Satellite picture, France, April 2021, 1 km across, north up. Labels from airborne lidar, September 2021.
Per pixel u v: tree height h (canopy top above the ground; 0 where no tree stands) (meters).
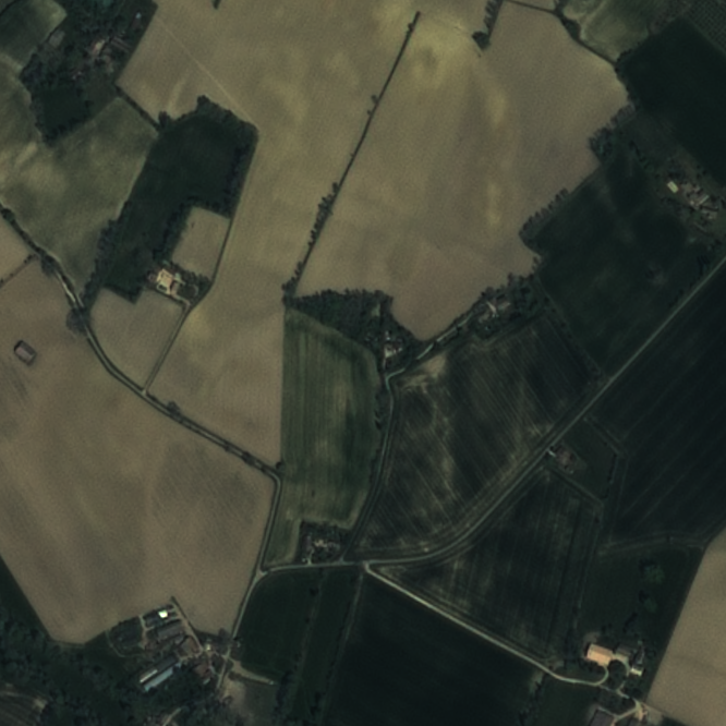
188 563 0
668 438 0
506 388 0
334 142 0
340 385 0
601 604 0
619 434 0
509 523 0
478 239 0
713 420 0
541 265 15
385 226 0
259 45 0
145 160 0
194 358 0
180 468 0
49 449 0
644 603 14
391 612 0
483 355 0
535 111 0
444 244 0
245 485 0
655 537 0
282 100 0
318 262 0
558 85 0
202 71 0
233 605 0
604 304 0
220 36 0
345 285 0
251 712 0
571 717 0
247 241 0
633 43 0
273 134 0
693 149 0
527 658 0
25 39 0
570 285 0
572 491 0
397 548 0
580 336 0
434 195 0
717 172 0
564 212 0
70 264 0
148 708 23
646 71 0
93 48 0
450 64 0
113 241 21
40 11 0
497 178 0
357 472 0
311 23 0
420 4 0
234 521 0
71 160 0
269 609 0
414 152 0
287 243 0
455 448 0
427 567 0
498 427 0
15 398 0
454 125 0
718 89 0
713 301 0
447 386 0
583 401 0
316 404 0
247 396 0
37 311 0
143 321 0
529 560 0
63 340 0
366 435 0
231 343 0
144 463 0
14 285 0
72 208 0
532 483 0
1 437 0
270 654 0
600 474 0
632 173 0
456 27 0
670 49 0
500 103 0
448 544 0
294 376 0
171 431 0
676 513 0
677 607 0
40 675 10
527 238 13
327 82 0
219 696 13
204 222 0
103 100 0
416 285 0
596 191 0
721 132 0
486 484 0
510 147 0
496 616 0
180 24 0
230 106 0
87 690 0
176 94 0
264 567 0
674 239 0
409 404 0
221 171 0
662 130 0
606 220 0
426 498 0
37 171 0
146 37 0
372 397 0
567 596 0
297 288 11
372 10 0
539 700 8
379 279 0
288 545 0
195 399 0
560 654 0
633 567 0
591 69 0
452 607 0
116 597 0
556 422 0
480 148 0
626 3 0
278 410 0
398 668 0
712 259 0
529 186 0
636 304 0
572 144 0
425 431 0
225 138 0
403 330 9
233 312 0
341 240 0
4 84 0
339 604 0
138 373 0
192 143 0
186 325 0
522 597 0
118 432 0
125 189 0
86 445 0
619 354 0
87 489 0
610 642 8
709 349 0
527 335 0
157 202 0
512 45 0
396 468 0
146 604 0
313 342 0
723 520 0
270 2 0
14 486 0
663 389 0
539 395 0
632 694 8
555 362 0
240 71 0
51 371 0
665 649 0
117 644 0
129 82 0
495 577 0
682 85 0
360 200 0
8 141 0
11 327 0
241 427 0
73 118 0
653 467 0
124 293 10
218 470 0
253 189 0
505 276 0
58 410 0
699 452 0
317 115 0
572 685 0
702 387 0
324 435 0
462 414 0
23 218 0
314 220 0
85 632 0
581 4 0
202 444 0
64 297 0
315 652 0
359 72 0
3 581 0
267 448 0
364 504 0
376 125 0
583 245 0
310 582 0
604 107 0
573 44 0
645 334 0
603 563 0
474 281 0
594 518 0
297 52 0
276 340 0
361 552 0
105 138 0
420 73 0
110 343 0
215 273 0
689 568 0
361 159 0
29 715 0
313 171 0
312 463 0
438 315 0
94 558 0
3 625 20
